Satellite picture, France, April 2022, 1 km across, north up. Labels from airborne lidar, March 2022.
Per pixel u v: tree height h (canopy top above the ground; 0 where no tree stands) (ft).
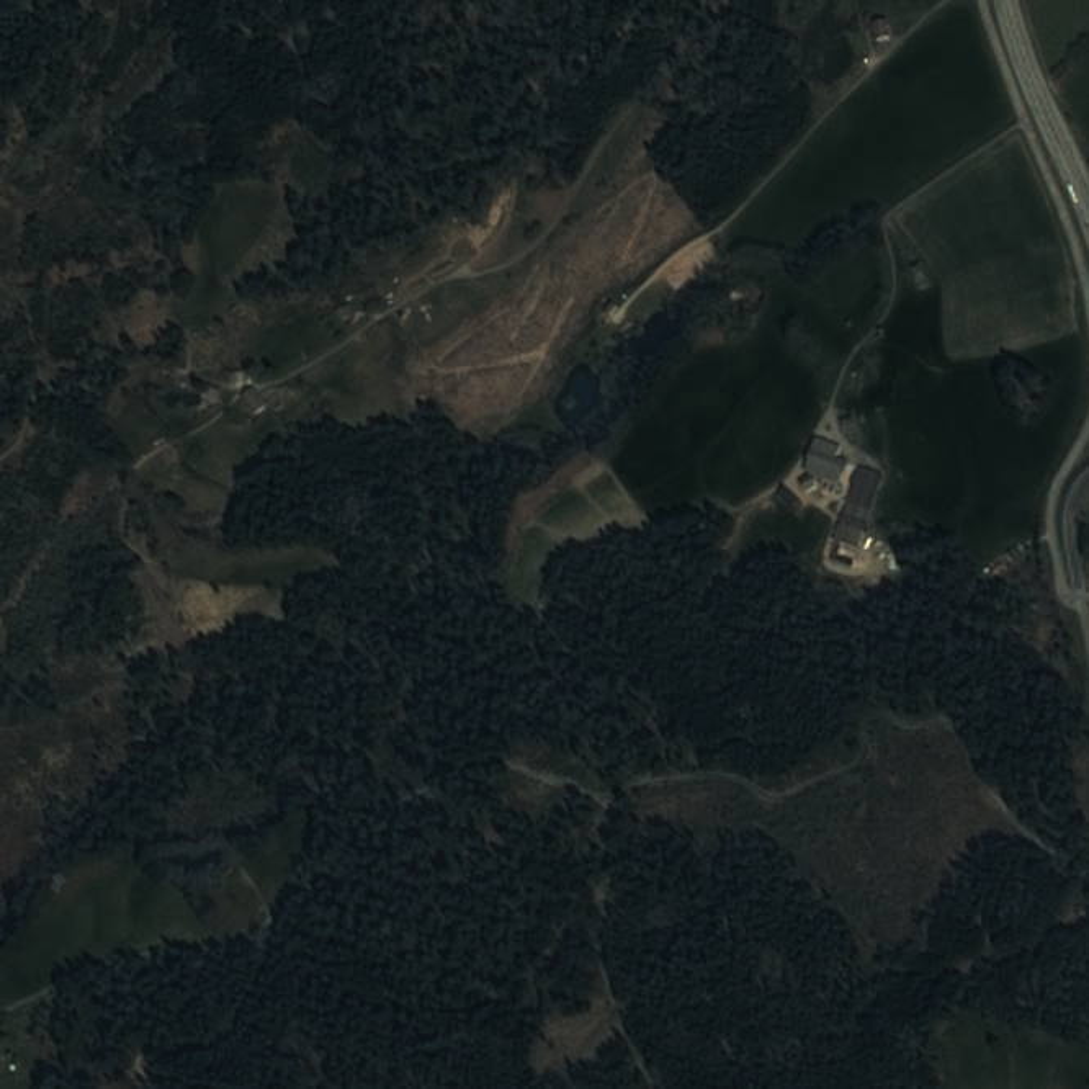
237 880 0
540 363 0
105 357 75
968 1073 0
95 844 75
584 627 69
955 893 74
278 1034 66
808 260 60
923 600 83
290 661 53
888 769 0
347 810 85
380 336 0
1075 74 0
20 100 116
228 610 0
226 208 0
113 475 57
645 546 89
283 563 0
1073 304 0
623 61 79
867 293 0
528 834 102
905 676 104
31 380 78
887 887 20
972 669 90
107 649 79
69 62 65
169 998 96
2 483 32
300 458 31
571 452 39
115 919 0
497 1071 76
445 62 51
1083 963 54
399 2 58
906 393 0
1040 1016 60
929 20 0
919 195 0
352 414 0
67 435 43
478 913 87
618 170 0
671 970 82
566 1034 0
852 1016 86
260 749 83
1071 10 0
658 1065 56
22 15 95
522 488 91
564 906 50
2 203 0
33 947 0
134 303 68
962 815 0
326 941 82
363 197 104
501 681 75
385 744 86
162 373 0
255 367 52
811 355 59
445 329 0
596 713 96
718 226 0
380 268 52
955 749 0
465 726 94
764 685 50
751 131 54
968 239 0
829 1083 69
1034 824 75
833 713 84
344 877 75
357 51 75
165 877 52
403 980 72
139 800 61
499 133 113
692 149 73
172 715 81
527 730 91
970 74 0
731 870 67
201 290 0
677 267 0
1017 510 0
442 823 93
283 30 48
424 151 50
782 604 90
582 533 0
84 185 19
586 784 0
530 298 0
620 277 0
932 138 0
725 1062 51
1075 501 0
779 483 0
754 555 0
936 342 0
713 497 0
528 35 64
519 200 0
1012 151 0
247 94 62
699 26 110
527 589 0
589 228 0
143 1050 78
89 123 63
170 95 57
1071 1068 0
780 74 73
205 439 0
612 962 61
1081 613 0
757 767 70
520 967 40
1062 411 0
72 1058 77
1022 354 0
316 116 71
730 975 57
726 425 0
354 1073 74
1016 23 0
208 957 67
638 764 92
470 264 0
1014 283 0
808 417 0
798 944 79
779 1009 77
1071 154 0
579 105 69
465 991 50
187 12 51
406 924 82
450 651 91
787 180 0
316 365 0
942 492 0
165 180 100
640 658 48
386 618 63
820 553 0
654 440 0
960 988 30
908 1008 54
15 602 60
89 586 59
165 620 0
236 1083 76
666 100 99
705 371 0
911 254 0
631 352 48
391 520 92
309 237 84
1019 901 54
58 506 22
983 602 60
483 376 0
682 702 59
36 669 19
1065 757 76
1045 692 78
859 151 0
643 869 85
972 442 0
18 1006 0
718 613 83
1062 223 0
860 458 0
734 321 55
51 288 66
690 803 0
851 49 0
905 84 0
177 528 0
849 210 0
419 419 37
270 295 71
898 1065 63
